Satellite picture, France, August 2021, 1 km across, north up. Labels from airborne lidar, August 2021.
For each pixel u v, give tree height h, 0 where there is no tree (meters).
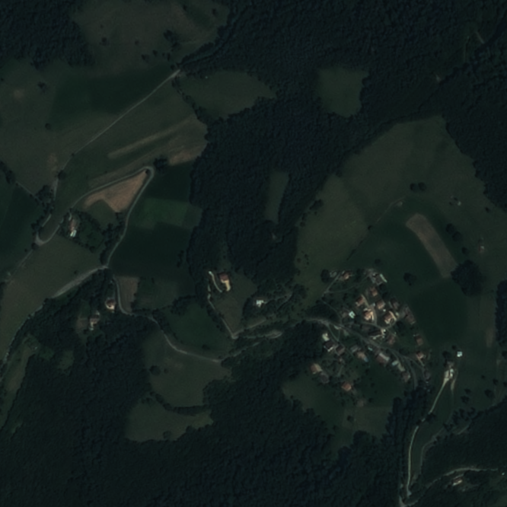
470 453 15
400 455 9
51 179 0
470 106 19
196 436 20
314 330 16
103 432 21
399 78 21
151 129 0
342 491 31
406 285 0
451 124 17
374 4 22
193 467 20
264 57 15
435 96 12
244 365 10
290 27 12
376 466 8
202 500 30
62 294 0
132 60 0
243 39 21
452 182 0
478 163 16
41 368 20
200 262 13
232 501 35
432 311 0
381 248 0
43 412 17
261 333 8
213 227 14
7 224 0
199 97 0
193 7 0
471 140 20
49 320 15
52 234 0
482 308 0
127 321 13
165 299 0
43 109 0
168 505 26
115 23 0
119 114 0
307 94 22
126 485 18
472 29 28
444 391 0
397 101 14
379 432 0
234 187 15
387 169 0
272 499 27
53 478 18
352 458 31
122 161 0
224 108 0
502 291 13
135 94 0
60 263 0
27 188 0
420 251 0
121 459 12
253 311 8
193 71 6
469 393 14
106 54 0
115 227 18
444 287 0
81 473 22
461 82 22
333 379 12
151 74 0
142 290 0
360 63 18
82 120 0
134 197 0
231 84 0
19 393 12
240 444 25
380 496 13
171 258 0
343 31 22
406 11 25
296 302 11
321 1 30
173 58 14
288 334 17
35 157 0
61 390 19
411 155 0
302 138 29
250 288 0
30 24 22
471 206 0
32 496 20
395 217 0
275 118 24
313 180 15
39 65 16
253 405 30
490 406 0
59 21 24
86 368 22
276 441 23
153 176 0
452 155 0
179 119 0
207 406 10
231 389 13
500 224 0
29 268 0
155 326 21
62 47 24
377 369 0
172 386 0
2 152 0
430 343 0
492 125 17
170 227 0
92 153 0
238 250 12
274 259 12
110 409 15
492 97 19
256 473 21
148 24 0
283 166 20
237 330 0
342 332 0
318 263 0
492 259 0
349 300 17
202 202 21
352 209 0
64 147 0
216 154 21
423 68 26
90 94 0
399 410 20
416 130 0
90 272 0
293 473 21
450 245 0
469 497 9
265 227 14
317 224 0
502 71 16
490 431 19
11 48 20
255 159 23
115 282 9
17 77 0
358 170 0
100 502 21
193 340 0
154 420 0
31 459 19
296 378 13
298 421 23
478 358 0
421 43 29
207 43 0
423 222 0
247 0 22
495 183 20
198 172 16
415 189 19
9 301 0
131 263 0
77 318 6
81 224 8
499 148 21
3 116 0
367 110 15
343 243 0
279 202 0
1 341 0
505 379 0
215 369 0
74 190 0
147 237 0
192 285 0
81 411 26
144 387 16
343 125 20
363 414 0
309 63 18
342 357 8
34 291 0
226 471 24
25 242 0
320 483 28
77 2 22
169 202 0
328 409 0
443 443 13
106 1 0
